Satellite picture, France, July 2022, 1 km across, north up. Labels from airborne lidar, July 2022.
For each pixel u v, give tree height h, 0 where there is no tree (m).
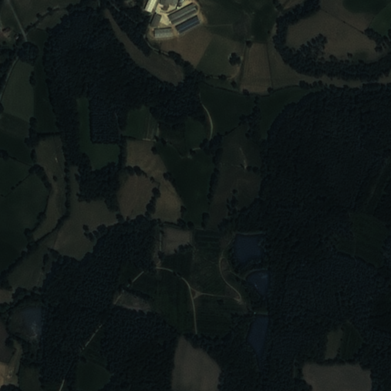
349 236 24
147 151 0
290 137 23
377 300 11
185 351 0
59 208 0
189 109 21
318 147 10
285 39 18
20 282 0
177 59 14
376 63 10
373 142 21
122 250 19
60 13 0
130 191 0
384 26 0
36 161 15
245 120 18
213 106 0
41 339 8
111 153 0
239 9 0
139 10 16
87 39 15
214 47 0
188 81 19
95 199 18
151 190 0
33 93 0
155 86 29
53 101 24
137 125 0
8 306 16
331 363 16
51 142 0
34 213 0
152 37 0
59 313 25
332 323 21
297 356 20
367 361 7
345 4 0
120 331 22
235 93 0
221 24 0
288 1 0
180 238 0
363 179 15
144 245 18
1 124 0
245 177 0
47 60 22
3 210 0
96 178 14
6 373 0
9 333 13
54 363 23
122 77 30
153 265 20
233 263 16
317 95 18
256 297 17
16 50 16
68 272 26
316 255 27
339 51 0
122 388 19
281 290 18
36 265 0
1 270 0
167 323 20
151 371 16
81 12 17
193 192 0
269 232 20
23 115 0
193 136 0
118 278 20
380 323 13
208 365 0
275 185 17
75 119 15
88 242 0
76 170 0
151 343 23
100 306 24
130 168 17
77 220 0
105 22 20
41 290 15
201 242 0
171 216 0
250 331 0
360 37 0
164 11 0
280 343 22
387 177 6
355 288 27
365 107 20
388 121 19
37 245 18
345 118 12
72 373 19
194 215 0
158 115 25
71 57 21
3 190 0
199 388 0
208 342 23
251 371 19
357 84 0
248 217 20
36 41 0
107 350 21
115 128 15
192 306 0
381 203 7
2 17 0
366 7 0
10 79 0
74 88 18
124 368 15
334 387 0
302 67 22
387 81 0
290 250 16
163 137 0
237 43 0
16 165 0
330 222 22
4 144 0
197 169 0
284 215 19
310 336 20
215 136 0
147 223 25
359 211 23
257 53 0
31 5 0
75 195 0
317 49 16
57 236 0
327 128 12
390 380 23
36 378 0
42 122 0
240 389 20
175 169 0
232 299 0
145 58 0
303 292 24
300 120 17
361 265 21
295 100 0
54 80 13
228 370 17
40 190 0
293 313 21
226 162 0
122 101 20
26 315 0
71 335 22
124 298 0
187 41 0
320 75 19
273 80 0
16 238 0
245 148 0
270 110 0
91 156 0
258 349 0
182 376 0
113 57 29
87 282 20
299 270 23
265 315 0
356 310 21
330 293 21
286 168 19
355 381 0
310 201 21
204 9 0
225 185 0
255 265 19
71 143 15
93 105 19
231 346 25
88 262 23
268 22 0
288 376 19
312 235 21
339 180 14
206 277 0
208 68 0
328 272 23
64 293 25
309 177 23
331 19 0
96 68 20
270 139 17
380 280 20
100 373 0
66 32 24
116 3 16
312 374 0
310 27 0
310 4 20
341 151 16
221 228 23
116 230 19
